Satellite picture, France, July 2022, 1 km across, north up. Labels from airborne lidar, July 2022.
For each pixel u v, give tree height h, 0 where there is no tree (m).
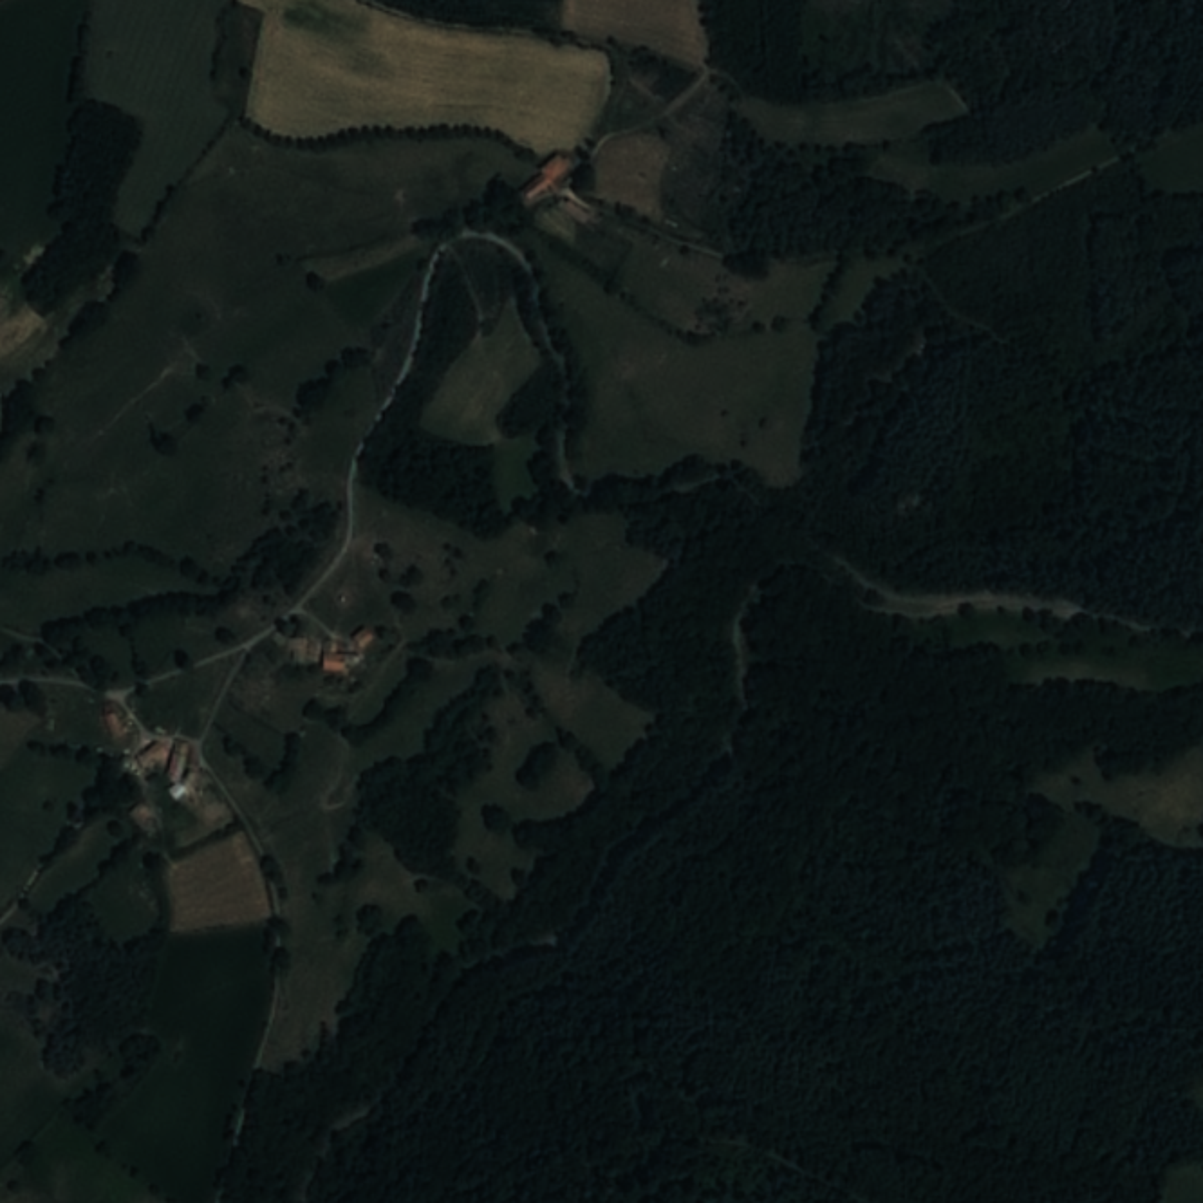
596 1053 27
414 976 30
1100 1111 17
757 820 24
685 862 25
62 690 0
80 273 16
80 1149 0
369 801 9
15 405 20
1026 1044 15
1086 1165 12
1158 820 0
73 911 17
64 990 13
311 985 0
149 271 0
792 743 27
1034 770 17
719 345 0
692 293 0
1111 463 27
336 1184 24
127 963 17
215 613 15
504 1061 18
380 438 11
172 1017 0
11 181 0
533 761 15
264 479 7
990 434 8
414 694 9
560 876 17
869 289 0
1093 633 15
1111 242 14
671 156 0
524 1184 20
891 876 17
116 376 0
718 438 0
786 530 21
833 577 18
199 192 0
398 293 0
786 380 0
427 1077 23
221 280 0
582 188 14
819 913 10
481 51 0
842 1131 11
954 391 26
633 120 0
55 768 0
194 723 0
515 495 0
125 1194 0
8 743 0
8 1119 0
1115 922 31
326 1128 24
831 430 18
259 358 0
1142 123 18
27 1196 0
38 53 0
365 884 0
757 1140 12
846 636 23
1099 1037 17
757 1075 13
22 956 11
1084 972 24
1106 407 32
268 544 7
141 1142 0
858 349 18
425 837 11
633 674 8
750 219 18
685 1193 23
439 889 0
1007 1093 18
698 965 22
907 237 11
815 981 23
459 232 12
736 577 23
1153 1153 20
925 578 20
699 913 25
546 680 0
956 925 21
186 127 0
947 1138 11
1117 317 20
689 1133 11
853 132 0
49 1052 13
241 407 0
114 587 0
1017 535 17
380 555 13
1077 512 13
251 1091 15
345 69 0
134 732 0
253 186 0
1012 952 29
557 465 14
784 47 7
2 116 0
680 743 16
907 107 0
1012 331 8
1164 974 27
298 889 0
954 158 13
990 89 9
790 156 18
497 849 0
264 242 0
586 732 0
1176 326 7
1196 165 0
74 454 0
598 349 0
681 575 14
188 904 0
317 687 0
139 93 0
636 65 6
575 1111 28
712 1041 21
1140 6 20
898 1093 12
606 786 15
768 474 0
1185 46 26
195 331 0
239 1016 0
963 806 33
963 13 9
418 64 0
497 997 22
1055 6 22
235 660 0
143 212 0
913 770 36
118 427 0
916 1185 9
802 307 0
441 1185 15
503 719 0
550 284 7
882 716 27
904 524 8
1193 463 31
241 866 0
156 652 0
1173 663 0
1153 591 31
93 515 0
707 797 31
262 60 0
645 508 15
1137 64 19
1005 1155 9
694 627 20
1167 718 21
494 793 0
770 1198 12
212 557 0
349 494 0
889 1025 25
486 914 10
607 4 0
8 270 0
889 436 20
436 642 15
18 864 0
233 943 0
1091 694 22
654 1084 25
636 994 29
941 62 10
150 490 0
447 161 0
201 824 0
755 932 19
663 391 0
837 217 23
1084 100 17
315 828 0
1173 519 26
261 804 0
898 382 13
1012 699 22
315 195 0
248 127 11
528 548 0
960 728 23
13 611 0
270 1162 19
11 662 6
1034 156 10
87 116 11
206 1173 0
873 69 13
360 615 0
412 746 0
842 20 0
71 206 16
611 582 0
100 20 0
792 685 19
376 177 0
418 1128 26
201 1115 0
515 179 0
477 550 0
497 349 0
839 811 9
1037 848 24
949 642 8
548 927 12
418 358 7
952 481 16
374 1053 21
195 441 0
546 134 0
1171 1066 18
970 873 22
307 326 0
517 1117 16
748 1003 21
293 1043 0
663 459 0
